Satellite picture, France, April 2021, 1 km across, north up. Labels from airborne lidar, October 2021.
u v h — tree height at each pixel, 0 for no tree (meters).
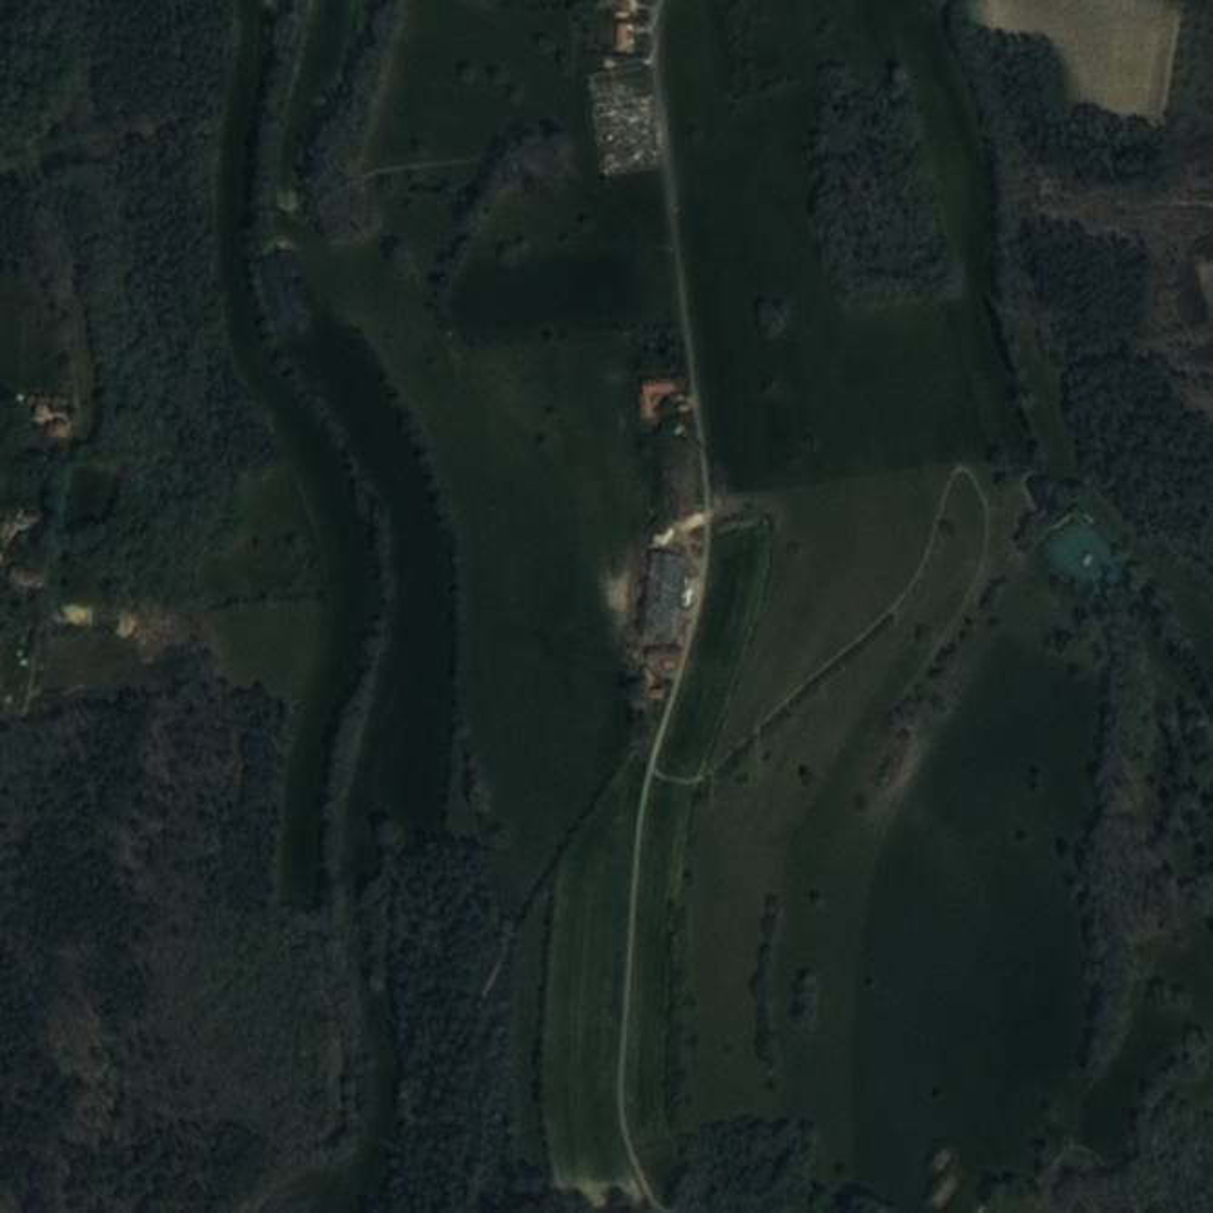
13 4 18
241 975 18
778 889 0
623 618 0
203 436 19
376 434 0
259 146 20
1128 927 24
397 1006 12
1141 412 15
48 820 20
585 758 0
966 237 0
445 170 0
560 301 0
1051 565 0
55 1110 21
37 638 7
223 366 17
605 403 0
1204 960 0
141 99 20
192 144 14
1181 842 16
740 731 0
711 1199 16
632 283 0
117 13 17
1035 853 0
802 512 0
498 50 0
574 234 0
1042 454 11
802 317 0
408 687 0
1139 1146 14
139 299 20
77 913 26
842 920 0
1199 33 6
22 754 15
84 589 0
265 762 15
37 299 0
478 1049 15
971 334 0
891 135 23
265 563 0
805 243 0
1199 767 17
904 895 0
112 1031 19
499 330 0
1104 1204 24
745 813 0
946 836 0
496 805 0
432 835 0
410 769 0
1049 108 21
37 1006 20
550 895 6
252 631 0
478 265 0
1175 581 0
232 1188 19
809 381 0
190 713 16
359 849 0
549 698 0
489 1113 13
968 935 0
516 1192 23
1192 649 18
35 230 21
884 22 0
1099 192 22
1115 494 10
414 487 0
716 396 0
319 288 0
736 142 0
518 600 0
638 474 0
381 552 17
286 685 0
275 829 14
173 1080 15
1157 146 8
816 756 0
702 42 0
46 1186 16
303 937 22
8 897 20
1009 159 21
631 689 14
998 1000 0
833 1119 0
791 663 0
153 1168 24
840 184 9
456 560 9
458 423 0
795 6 0
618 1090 0
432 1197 16
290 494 0
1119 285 22
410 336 0
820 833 0
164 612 13
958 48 17
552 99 0
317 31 0
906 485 0
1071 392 13
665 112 0
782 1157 12
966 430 0
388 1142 0
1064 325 14
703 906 0
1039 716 0
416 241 0
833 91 14
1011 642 0
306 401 14
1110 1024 25
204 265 22
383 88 13
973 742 0
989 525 0
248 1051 22
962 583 0
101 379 9
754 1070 0
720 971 0
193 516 20
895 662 0
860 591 0
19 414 23
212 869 22
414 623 0
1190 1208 24
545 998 5
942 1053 0
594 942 0
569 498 0
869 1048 0
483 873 11
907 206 21
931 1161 0
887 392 0
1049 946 0
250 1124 17
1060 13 0
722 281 0
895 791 0
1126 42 0
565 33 0
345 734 25
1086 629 19
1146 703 23
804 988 13
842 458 0
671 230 0
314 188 21
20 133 16
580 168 0
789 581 0
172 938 14
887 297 22
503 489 0
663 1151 0
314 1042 23
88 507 0
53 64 20
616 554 0
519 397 0
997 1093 0
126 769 22
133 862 14
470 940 19
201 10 15
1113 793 21
